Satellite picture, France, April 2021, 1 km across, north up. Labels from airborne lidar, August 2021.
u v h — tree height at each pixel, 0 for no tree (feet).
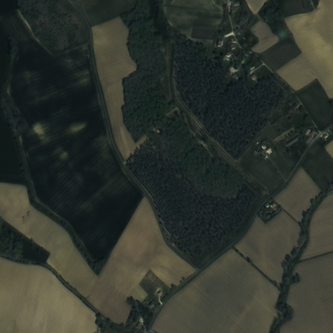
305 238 81
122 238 0
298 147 0
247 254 0
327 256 0
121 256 0
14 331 0
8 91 0
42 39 19
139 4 39
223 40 45
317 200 32
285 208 0
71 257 0
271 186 0
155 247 0
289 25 0
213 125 52
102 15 0
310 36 0
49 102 0
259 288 0
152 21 90
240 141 50
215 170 76
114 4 0
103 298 0
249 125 33
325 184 0
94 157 0
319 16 0
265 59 0
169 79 71
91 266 39
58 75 0
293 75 0
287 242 0
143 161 49
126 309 0
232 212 62
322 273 0
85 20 0
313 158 0
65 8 0
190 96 67
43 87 0
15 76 0
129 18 63
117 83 0
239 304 0
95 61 0
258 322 0
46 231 0
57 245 0
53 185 0
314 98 0
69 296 0
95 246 0
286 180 0
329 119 0
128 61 0
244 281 0
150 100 88
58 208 0
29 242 0
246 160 0
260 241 0
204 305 0
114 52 0
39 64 0
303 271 0
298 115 0
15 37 0
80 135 0
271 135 0
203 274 0
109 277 0
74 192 0
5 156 0
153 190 44
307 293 0
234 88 59
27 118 0
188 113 58
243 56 46
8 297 0
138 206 0
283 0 0
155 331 0
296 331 0
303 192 0
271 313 0
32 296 0
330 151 0
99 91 0
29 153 0
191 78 60
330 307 0
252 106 52
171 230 59
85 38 0
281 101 29
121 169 0
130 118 68
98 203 0
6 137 0
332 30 0
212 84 71
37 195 0
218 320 0
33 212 0
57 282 0
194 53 52
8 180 0
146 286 0
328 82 0
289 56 0
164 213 43
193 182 53
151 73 83
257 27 0
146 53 65
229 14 32
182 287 0
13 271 0
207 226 49
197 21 0
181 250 54
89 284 0
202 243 62
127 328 24
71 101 0
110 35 0
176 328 0
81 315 0
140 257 0
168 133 68
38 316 0
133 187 0
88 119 0
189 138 77
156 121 78
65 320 0
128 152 0
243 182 85
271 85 46
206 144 87
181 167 51
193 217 50
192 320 0
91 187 0
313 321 0
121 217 0
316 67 0
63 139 0
